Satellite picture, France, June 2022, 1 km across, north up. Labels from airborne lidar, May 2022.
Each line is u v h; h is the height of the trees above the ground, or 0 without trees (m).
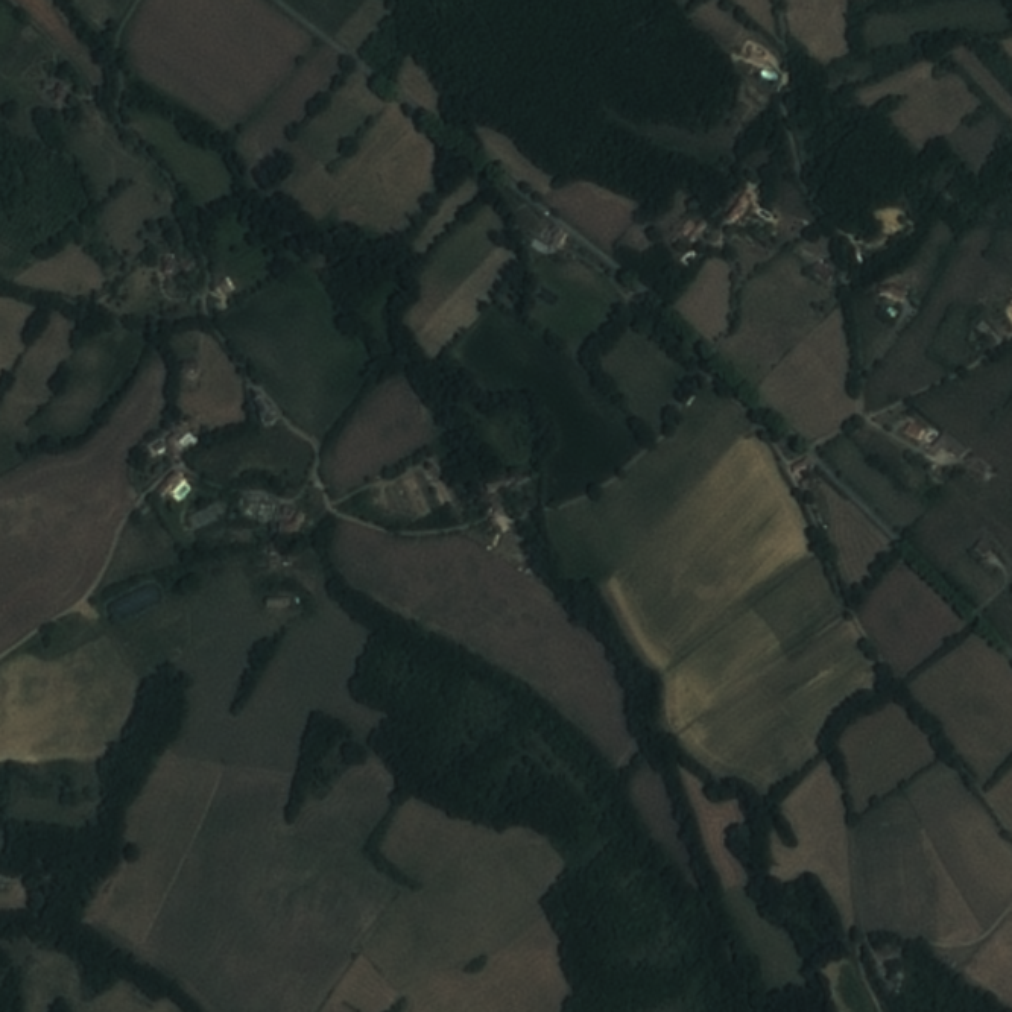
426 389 18
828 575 12
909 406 7
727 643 0
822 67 11
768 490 0
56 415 0
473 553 0
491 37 8
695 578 0
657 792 0
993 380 0
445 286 0
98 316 12
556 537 0
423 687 10
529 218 0
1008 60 8
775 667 0
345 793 0
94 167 0
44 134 13
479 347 0
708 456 0
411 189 0
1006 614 0
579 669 0
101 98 18
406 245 27
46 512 0
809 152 11
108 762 15
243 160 22
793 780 6
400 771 18
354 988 0
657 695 30
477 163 30
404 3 12
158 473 9
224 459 0
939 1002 8
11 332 0
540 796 14
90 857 16
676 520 0
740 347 0
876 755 0
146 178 0
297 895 0
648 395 0
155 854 0
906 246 10
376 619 18
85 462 0
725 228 9
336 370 0
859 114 11
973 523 0
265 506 0
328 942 0
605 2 6
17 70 0
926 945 14
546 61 9
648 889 14
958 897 0
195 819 0
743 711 0
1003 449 0
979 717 0
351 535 0
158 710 16
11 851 13
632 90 10
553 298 0
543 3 9
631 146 13
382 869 9
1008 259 0
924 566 15
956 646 11
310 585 0
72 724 0
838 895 0
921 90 0
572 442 0
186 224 12
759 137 15
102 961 16
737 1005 14
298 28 0
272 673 0
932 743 11
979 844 0
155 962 0
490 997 0
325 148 0
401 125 0
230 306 7
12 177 12
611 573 0
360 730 0
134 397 0
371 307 0
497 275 0
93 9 0
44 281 0
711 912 10
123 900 0
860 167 14
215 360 0
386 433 0
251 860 0
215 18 0
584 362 18
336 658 0
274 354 0
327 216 0
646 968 10
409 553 0
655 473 0
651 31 13
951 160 11
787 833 10
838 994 0
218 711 0
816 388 0
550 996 0
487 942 0
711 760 0
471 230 0
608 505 0
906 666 0
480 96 12
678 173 16
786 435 13
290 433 0
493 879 0
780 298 0
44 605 0
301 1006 0
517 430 6
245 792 0
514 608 0
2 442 0
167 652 0
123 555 0
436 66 11
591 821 12
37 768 0
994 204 8
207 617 0
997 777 7
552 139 15
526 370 0
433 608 0
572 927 16
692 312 0
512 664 0
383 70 8
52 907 18
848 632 0
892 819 0
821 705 0
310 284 0
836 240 11
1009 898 0
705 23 0
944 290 0
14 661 0
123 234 0
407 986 0
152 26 0
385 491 0
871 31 0
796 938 18
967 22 0
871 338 0
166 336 17
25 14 12
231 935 0
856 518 0
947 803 0
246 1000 0
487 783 6
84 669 0
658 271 6
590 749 17
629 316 21
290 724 0
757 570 0
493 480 16
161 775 0
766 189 13
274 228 22
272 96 0
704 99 16
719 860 0
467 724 9
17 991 11
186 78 0
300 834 0
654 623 0
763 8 0
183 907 0
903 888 0
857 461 0
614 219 0
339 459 0
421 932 0
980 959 0
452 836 0
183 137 6
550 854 0
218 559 9
